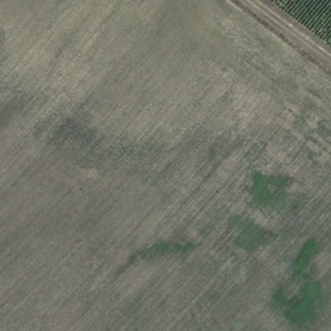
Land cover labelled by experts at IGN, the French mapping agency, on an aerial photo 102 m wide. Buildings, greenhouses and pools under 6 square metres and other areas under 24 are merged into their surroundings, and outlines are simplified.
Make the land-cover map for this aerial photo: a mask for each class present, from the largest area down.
<instances>
[{"label":"agricultural land","instance_id":"1","mask_svg":"<svg viewBox=\"0 0 331 331\"><path fill-rule=\"evenodd\" d=\"M0 331H331V71L321 65L317 54L306 50L297 53L290 45L284 43L281 37L248 16L231 0H0Z\"/></svg>","mask_w":331,"mask_h":331},{"label":"herbaceous vegetation","instance_id":"2","mask_svg":"<svg viewBox=\"0 0 331 331\"><path fill-rule=\"evenodd\" d=\"M248 16L281 37L284 43L290 45L297 53L306 50L317 54L321 65L331 71V47L326 44V40L319 39L303 23L288 16L270 0H231Z\"/></svg>","mask_w":331,"mask_h":331},{"label":"vineyard","instance_id":"3","mask_svg":"<svg viewBox=\"0 0 331 331\"><path fill-rule=\"evenodd\" d=\"M288 16L303 23L319 39L326 40V44L331 47V0H270Z\"/></svg>","mask_w":331,"mask_h":331}]
</instances>
